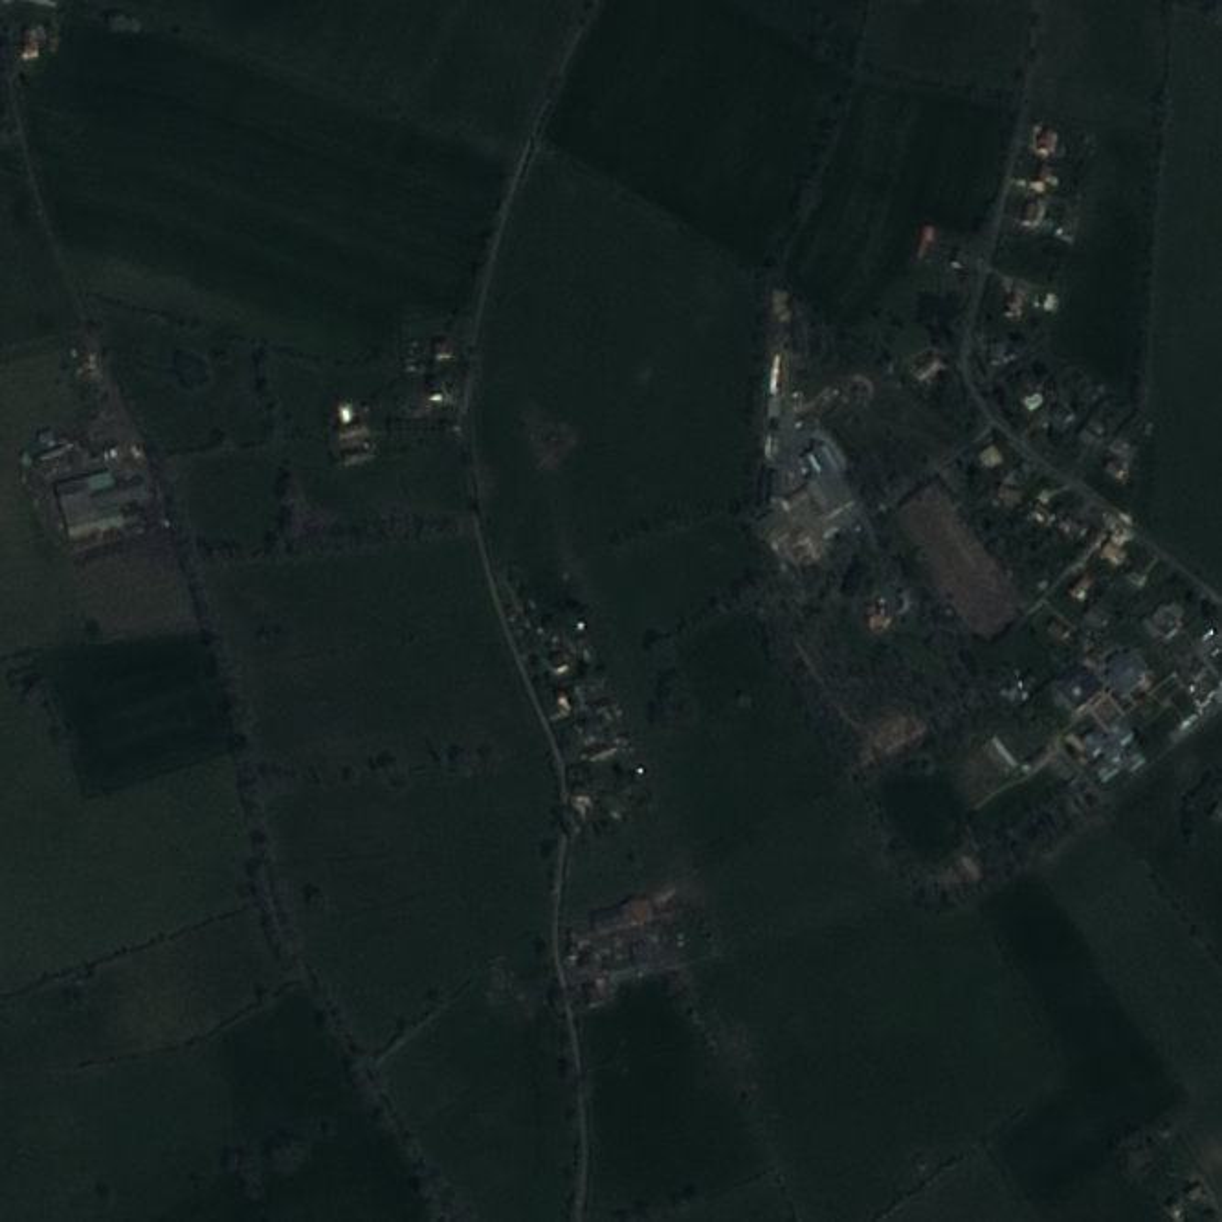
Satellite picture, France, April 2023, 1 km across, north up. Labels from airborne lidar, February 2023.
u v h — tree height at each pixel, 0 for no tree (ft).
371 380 0
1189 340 0
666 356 0
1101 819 43
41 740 0
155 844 0
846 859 0
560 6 0
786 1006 0
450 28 0
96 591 0
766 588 54
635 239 0
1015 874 50
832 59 34
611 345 0
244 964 0
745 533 36
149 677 0
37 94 0
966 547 0
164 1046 0
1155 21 0
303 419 0
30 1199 0
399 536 59
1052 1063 0
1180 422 0
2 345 0
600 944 0
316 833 0
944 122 0
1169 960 0
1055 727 0
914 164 0
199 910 0
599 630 0
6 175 0
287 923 59
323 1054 0
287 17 0
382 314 0
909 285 0
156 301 0
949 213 0
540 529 0
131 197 0
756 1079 0
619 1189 0
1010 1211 0
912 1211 0
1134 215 0
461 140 0
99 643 55
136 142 0
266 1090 0
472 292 0
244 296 0
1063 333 0
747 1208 0
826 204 0
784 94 0
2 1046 0
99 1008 0
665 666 38
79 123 0
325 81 0
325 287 0
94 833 0
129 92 0
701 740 0
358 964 0
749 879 0
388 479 0
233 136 0
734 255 0
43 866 0
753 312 0
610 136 0
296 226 0
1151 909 0
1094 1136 0
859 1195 0
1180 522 0
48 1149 0
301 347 0
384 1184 0
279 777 43
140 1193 0
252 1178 61
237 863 0
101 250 0
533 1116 0
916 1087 0
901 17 0
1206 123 0
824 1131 0
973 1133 0
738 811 0
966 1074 0
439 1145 0
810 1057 0
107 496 0
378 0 0
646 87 0
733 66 0
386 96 0
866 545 57
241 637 0
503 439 0
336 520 0
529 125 0
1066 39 0
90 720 0
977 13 0
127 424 0
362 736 0
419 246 0
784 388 0
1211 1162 0
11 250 0
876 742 0
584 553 0
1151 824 0
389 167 0
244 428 0
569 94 0
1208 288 0
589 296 0
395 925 0
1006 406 58
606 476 0
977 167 0
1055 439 39
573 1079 44
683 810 0
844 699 47
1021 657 0
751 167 0
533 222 0
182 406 0
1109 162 0
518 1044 0
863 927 0
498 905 0
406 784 39
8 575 0
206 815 0
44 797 0
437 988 0
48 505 0
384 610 0
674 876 0
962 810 0
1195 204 0
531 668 37
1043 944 0
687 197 0
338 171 0
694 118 0
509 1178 0
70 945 0
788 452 0
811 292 0
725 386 0
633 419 0
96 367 0
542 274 0
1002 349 0
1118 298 0
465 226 0
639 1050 0
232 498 0
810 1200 0
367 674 0
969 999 0
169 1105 0
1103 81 0
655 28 0
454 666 0
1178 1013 0
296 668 0
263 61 0
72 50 0
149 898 0
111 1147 0
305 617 0
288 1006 0
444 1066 0
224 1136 0
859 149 0
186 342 0
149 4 0
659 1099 0
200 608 53
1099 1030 0
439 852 0
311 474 0
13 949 0
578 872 0
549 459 0
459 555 0
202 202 0
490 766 50
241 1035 0
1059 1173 0
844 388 0
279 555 64
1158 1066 0
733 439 0
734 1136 0
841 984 0
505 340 0
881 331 0
